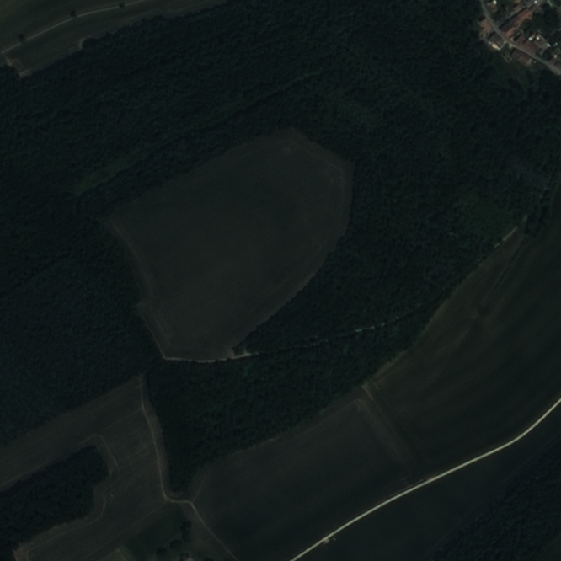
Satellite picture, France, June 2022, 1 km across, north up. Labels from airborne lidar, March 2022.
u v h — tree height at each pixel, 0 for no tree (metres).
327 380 12
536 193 6
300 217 0
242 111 14
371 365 10
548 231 0
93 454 20
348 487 0
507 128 17
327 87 14
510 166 17
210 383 22
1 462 0
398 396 0
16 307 20
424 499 0
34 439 0
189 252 0
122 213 0
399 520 0
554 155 16
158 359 14
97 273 20
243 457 0
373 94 8
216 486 0
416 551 0
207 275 0
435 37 16
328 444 0
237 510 0
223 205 0
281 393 23
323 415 0
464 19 10
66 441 0
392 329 15
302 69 14
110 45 15
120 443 0
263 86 17
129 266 11
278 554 0
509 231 0
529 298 0
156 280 0
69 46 0
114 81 15
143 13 0
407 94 6
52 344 24
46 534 0
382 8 11
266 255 0
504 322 0
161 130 16
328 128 9
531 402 0
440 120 10
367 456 0
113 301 14
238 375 14
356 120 7
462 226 16
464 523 0
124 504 0
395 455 0
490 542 18
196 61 18
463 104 19
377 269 8
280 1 25
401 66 14
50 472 19
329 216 0
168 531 0
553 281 0
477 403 0
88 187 0
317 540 0
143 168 14
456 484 0
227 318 0
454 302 0
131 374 15
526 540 17
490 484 0
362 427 0
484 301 0
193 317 0
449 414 0
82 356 23
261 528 0
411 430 0
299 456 0
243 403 22
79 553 0
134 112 19
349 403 0
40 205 18
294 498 0
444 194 15
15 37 0
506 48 0
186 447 17
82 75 17
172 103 16
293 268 0
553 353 0
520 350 0
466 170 18
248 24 13
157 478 0
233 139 10
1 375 17
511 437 0
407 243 19
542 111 13
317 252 0
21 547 0
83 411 0
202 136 18
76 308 21
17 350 19
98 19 0
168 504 0
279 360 10
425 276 5
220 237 0
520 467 0
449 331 0
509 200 8
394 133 16
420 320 6
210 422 15
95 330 18
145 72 16
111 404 0
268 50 11
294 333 21
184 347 0
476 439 0
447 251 16
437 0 20
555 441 0
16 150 17
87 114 20
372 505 0
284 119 16
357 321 13
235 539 0
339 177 0
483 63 10
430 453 0
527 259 0
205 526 0
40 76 16
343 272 11
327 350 21
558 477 24
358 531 0
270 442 0
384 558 0
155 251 0
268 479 0
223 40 26
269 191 0
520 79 0
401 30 18
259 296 0
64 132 21
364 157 17
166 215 0
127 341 17
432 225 7
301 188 0
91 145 17
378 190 16
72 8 0
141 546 0
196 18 7
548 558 0
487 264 0
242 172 0
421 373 0
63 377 18
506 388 0
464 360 0
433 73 22
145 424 0
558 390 0
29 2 0
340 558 0
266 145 0
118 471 0
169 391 19
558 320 0
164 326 0
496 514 18
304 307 15
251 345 11
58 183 18
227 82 14
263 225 0
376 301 8
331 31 15
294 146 0
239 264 0
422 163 15
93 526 0
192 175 0
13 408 15
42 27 0
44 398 16
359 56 7
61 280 14
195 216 0
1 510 21
